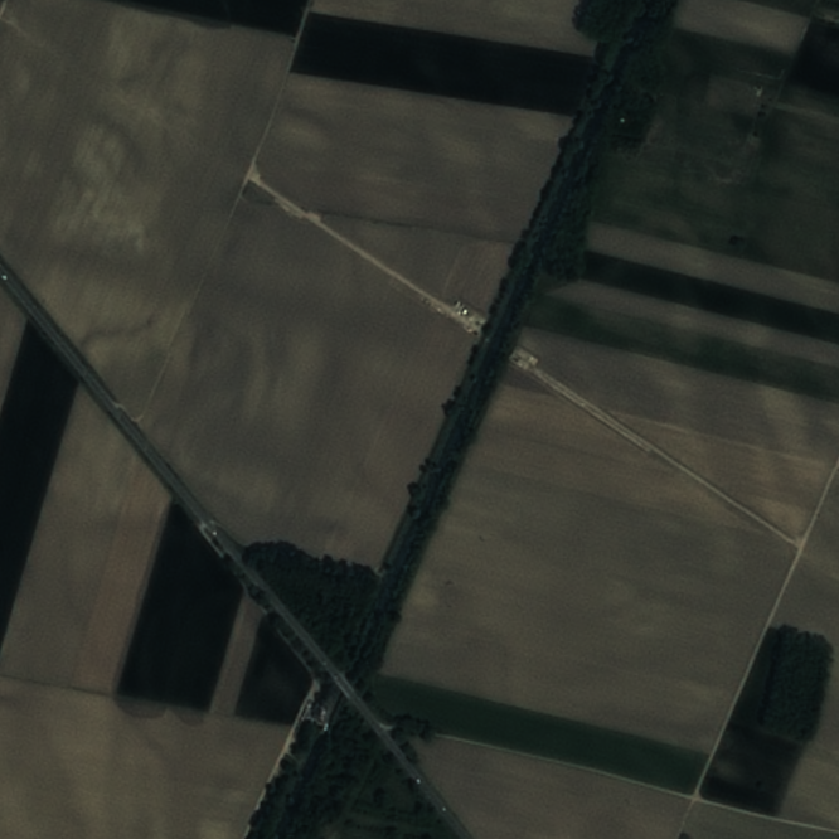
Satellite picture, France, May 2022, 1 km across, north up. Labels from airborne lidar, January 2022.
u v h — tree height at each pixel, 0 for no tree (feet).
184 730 0
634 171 0
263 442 0
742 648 0
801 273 0
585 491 0
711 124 0
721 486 0
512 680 0
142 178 0
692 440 0
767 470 0
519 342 0
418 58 0
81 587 0
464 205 0
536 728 0
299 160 0
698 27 0
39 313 0
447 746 0
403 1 0
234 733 0
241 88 0
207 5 0
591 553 0
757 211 0
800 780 0
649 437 0
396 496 0
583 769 0
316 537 0
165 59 0
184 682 0
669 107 0
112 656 0
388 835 29
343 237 0
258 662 0
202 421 0
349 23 0
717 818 0
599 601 0
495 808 0
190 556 0
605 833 0
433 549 0
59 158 0
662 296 0
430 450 0
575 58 0
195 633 0
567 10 0
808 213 0
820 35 0
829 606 0
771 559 0
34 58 0
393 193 0
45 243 0
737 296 0
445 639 0
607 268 0
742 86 0
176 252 0
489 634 0
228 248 0
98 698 0
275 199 0
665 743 0
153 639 0
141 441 0
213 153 0
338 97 0
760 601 0
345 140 0
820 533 0
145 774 0
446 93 0
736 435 0
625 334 0
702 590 0
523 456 0
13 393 0
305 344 0
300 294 0
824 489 0
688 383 0
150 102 0
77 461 0
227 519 0
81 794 0
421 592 0
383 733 0
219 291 0
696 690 0
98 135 0
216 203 0
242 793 0
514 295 0
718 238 0
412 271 0
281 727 0
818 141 0
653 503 0
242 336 0
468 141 0
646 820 0
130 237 0
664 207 0
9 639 0
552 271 82
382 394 0
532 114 0
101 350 0
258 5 0
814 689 61
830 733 0
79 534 0
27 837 0
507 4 0
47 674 0
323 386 0
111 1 0
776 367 0
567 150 45
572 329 0
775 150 0
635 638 0
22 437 0
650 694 0
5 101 0
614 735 0
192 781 0
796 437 0
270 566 99
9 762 0
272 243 0
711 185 0
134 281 0
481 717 0
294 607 58
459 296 0
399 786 0
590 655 0
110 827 0
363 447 0
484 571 0
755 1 0
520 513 0
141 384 0
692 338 0
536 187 0
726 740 0
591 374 0
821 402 0
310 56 0
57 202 0
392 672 0
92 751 0
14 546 0
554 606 0
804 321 0
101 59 0
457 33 0
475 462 0
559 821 0
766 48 0
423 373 0
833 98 0
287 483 0
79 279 0
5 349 0
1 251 0
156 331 0
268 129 0
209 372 0
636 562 0
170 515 0
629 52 58
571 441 0
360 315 0
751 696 0
